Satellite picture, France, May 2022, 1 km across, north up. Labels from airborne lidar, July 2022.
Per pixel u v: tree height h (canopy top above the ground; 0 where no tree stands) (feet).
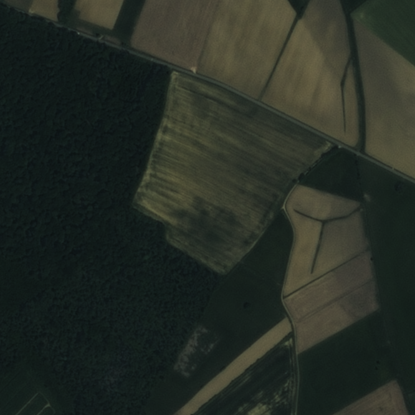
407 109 0
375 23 0
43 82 80
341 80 0
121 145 83
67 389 32
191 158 0
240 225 0
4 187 91
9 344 40
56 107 83
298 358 0
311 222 0
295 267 0
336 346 0
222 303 0
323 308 0
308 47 0
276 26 0
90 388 93
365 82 0
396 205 0
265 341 0
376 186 0
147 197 0
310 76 0
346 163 0
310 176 0
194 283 71
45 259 88
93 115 91
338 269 0
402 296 0
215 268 0
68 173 56
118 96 31
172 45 0
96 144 79
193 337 0
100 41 0
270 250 0
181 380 0
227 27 0
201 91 0
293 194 0
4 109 66
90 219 109
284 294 0
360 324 0
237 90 0
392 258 0
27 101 80
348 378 0
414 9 0
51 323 86
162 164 0
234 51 0
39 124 89
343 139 0
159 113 68
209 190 0
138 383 83
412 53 0
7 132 87
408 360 0
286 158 0
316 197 0
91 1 0
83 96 77
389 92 0
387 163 0
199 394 0
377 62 0
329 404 0
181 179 0
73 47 75
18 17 68
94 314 77
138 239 84
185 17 0
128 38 0
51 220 103
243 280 0
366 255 0
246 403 0
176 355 97
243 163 0
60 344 59
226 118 0
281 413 0
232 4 0
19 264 40
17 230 101
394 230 0
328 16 0
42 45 100
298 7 0
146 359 57
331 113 0
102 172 90
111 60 57
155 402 0
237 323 0
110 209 89
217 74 0
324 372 0
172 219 0
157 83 83
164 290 86
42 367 24
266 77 0
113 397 71
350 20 0
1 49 95
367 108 0
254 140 0
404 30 0
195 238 0
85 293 61
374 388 0
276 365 0
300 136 0
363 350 0
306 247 0
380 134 0
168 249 81
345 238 0
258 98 0
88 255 92
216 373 0
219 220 0
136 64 39
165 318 81
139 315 54
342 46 0
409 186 0
